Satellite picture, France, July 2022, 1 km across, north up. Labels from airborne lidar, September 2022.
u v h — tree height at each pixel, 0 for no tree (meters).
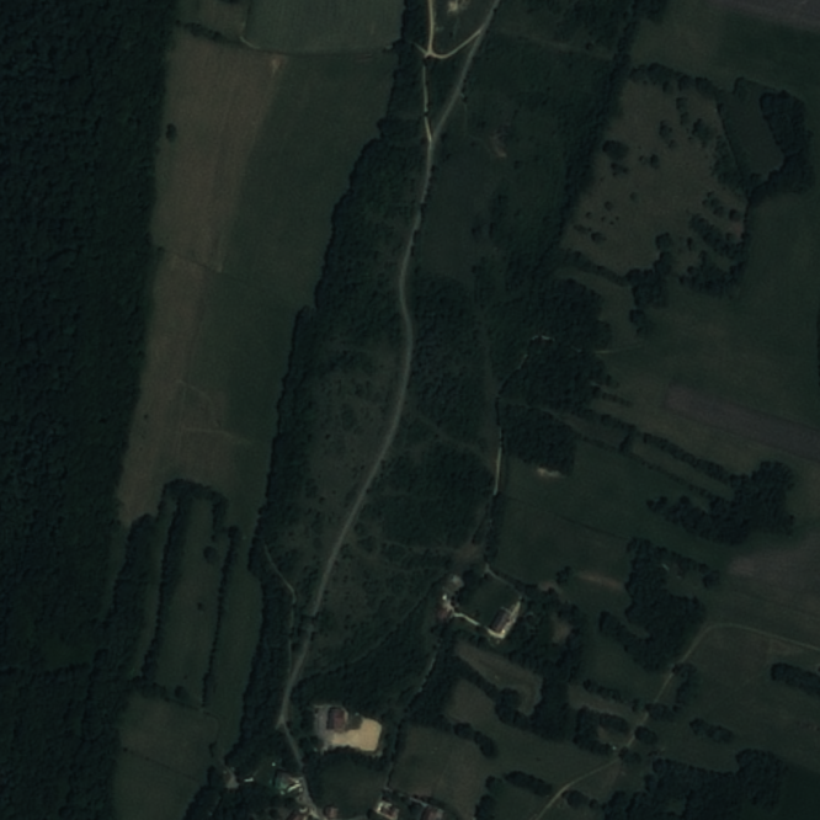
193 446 0
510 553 0
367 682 7
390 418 0
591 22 10
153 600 0
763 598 0
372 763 14
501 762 0
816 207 0
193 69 0
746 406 0
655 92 0
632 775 0
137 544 25
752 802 9
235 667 0
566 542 0
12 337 24
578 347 12
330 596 7
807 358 0
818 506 0
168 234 0
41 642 8
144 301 16
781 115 25
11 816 19
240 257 0
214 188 0
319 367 6
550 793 13
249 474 0
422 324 7
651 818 20
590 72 0
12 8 24
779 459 0
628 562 0
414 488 8
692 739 0
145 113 24
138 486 0
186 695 17
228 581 17
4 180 20
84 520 25
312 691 15
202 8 0
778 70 0
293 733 13
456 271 0
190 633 0
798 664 0
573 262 12
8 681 27
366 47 0
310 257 0
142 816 0
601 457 0
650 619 16
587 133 11
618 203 0
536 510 0
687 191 0
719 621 0
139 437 0
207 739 0
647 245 0
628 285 7
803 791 0
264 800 22
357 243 11
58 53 22
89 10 24
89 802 26
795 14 0
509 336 7
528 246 7
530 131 0
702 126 11
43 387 20
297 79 0
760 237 0
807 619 0
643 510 0
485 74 0
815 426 0
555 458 12
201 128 0
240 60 0
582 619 19
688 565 18
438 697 15
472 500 6
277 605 16
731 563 0
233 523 0
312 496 8
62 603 19
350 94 0
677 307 0
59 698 25
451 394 13
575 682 18
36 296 23
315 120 0
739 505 16
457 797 0
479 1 0
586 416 16
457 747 0
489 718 0
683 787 17
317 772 20
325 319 11
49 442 20
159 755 0
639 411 0
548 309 16
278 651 14
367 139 0
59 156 21
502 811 0
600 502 0
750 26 0
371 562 0
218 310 0
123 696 19
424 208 13
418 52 13
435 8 0
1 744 27
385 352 0
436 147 0
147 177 17
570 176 12
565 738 15
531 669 19
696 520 20
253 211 0
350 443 0
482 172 0
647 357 0
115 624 20
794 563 0
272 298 0
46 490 19
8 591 21
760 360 0
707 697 0
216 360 0
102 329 21
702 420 0
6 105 22
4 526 17
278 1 0
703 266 6
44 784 28
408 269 0
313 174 0
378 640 8
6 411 22
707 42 0
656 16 17
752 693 0
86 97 12
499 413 11
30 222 20
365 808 0
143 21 21
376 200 7
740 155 9
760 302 0
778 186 22
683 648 15
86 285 21
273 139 0
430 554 6
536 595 18
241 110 0
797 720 0
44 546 17
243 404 0
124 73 22
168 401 0
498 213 7
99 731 30
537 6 6
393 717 6
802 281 0
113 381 24
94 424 26
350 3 0
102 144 19
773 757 13
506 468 0
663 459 0
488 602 0
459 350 6
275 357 0
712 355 0
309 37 0
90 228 13
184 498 22
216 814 10
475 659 0
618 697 18
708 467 8
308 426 10
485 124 8
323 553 0
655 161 13
